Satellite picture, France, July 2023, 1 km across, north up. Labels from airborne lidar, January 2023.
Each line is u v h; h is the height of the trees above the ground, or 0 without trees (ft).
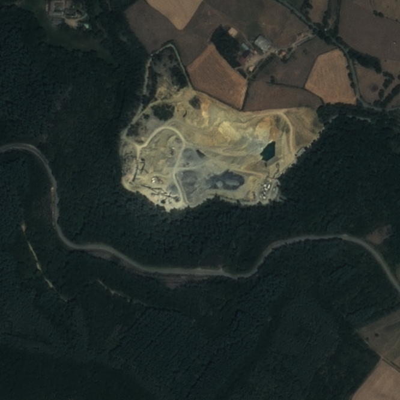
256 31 0
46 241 70
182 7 0
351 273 74
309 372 47
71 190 71
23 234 63
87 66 64
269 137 0
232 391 37
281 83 0
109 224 66
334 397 36
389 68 0
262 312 79
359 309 33
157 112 28
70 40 0
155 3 0
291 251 49
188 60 0
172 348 86
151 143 0
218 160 0
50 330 62
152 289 61
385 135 78
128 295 47
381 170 49
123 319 42
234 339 86
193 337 92
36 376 45
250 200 0
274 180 0
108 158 74
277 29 0
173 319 80
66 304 40
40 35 71
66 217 69
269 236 55
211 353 94
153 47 0
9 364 45
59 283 64
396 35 0
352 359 24
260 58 0
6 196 66
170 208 0
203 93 0
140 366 45
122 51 53
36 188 52
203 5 0
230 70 0
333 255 44
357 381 41
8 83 80
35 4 0
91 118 49
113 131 34
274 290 56
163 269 0
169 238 73
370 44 0
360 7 0
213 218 52
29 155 34
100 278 29
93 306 41
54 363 57
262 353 37
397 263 22
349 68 32
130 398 41
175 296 43
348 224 50
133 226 78
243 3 0
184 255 67
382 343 0
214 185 0
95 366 30
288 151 0
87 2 53
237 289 60
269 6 0
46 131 69
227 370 83
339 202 58
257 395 44
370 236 0
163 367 84
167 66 24
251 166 0
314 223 35
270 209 62
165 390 49
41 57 72
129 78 31
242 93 0
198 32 0
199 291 54
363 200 53
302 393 45
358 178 70
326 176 75
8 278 69
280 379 27
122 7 38
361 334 0
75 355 57
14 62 74
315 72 0
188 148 0
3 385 57
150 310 74
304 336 22
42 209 38
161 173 0
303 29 0
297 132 0
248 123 0
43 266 28
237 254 72
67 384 61
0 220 78
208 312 42
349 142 62
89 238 57
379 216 56
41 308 48
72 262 69
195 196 0
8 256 69
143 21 0
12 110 97
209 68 0
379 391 0
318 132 0
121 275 62
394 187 57
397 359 0
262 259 0
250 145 0
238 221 48
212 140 0
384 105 49
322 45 0
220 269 0
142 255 78
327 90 0
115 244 65
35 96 61
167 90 0
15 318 46
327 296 41
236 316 20
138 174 0
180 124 0
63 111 20
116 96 56
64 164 64
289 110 0
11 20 71
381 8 0
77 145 61
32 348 67
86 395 39
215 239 50
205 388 82
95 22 39
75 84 27
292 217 67
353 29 0
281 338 42
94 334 31
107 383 53
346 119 80
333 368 35
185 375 69
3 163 46
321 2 0
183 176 0
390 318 0
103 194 53
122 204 45
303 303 49
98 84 58
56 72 59
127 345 64
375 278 34
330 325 52
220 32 22
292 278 38
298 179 65
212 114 0
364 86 0
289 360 49
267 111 0
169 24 0
